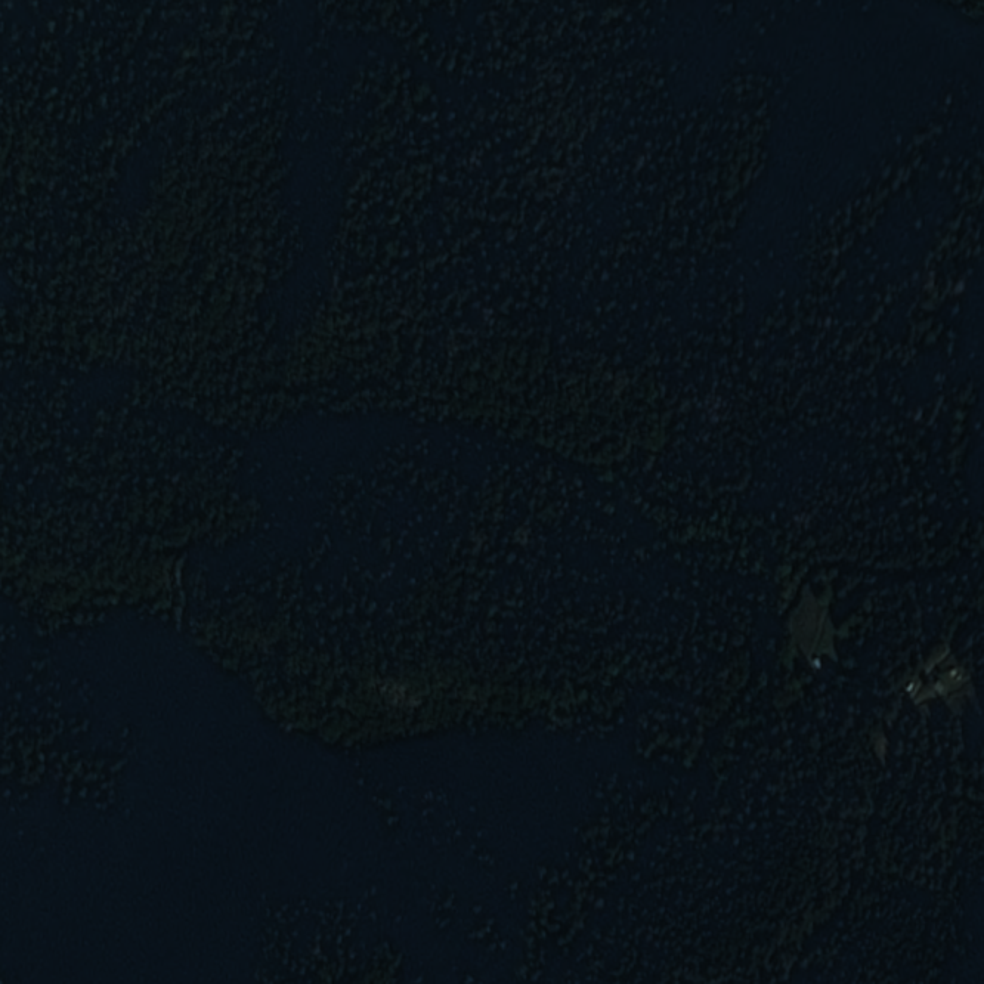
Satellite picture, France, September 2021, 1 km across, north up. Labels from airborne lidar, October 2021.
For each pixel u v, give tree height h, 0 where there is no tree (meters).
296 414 20
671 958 28
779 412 26
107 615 15
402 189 26
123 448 24
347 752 23
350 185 25
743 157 31
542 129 27
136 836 23
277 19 26
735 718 17
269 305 15
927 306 35
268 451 25
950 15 20
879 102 21
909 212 36
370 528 29
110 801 25
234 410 26
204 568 18
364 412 28
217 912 31
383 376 34
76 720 27
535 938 18
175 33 23
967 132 31
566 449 26
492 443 28
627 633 23
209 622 19
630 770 29
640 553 27
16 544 22
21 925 24
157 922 23
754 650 16
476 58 11
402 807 17
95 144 19
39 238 21
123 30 20
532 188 32
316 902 22
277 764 26
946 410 21
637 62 29
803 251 30
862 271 28
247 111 28
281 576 24
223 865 30
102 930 23
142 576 18
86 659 20
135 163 18
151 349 25
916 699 0
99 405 13
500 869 20
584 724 29
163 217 23
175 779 27
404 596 18
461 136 32
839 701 17
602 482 21
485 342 30
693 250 29
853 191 42
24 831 13
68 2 15
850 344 38
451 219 25
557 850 19
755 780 32
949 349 35
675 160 33
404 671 21
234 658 25
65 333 28
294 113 28
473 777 30
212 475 21
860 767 18
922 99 32
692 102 35
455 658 25
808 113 21
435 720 30
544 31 27
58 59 17
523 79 25
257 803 33
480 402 25
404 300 31
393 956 17
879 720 28
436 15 13
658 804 24
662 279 27
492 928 30
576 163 30
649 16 39
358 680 29
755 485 21
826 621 0
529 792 35
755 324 38
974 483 19
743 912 23
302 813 39
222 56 23
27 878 24
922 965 23
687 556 19
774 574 28
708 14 30
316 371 22
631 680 24
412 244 35
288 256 27
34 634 24
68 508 23
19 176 22
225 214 24
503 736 25
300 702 27
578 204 25
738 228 10
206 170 22
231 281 23
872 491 35
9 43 21
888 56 30
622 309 18
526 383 22
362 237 21
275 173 30
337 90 30
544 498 22
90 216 26
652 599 17
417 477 36
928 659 18
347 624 32
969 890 12
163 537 17
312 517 24
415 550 30
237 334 25
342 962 22
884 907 21
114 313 22
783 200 25
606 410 28
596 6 19
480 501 28
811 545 20
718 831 34
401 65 18
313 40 26
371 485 27
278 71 29
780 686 29
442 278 29
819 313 29
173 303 20
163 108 17
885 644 27
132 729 8
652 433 27
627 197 25
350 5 30
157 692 6
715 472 16
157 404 22
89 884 20
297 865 9
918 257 7
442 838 22
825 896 31
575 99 29
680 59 31
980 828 14
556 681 30
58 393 19
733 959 10
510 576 25
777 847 23
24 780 31
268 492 20
